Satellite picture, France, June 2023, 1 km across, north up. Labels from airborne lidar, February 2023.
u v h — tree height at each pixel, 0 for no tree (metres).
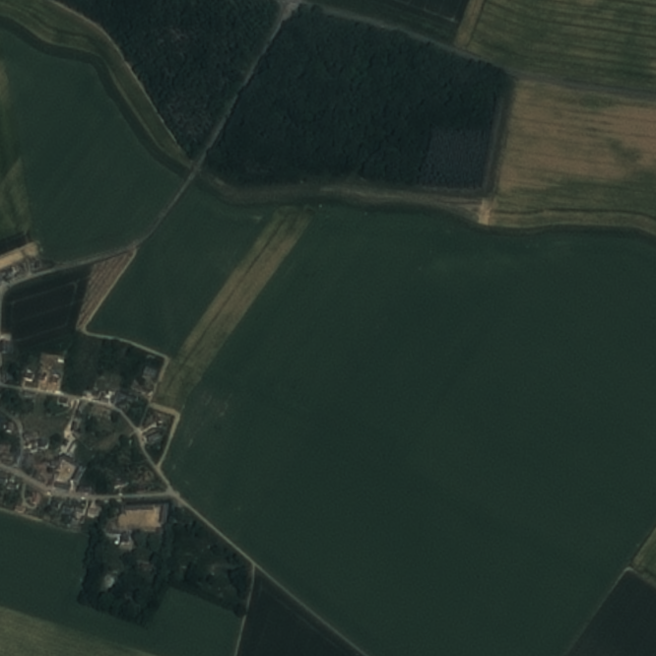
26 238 0
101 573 10
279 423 0
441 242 0
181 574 14
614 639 0
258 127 21
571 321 0
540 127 0
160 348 0
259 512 0
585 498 0
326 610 0
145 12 15
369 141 8
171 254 0
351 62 19
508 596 0
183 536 19
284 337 0
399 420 0
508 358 0
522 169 0
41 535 0
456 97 20
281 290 0
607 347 0
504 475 0
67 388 8
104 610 25
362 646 0
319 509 0
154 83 16
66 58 0
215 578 20
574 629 0
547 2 0
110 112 0
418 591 0
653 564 0
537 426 0
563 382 0
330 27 21
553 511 0
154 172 0
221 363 0
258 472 0
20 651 0
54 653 0
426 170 13
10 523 0
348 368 0
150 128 0
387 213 0
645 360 0
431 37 0
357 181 0
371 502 0
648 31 0
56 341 0
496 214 0
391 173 15
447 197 0
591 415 0
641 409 0
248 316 0
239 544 0
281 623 0
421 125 19
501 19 0
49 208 0
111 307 0
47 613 0
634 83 0
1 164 0
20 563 0
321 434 0
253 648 0
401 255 0
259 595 0
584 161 0
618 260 0
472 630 0
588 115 0
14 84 0
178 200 0
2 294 0
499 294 0
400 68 18
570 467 0
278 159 18
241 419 0
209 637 0
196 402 0
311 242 0
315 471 0
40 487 0
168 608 0
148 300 0
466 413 0
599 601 0
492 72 14
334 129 21
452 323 0
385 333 0
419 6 0
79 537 0
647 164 0
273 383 0
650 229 0
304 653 0
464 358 0
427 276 0
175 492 0
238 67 22
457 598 0
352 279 0
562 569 0
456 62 18
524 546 0
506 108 0
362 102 19
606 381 0
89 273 0
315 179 0
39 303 0
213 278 0
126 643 0
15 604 0
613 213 0
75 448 0
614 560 0
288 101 25
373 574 0
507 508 0
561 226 0
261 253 0
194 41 17
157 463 0
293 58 23
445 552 0
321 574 0
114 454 7
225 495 0
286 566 0
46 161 0
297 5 0
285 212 0
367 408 0
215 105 19
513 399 0
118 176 0
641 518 0
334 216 0
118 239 0
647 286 0
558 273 0
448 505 0
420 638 0
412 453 0
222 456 0
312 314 0
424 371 0
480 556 0
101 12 12
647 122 0
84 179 0
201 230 0
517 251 0
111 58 0
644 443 0
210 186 0
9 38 0
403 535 0
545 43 0
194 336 0
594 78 0
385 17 0
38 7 0
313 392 0
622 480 0
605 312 0
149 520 0
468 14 0
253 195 0
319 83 23
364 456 0
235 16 20
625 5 0
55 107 0
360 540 0
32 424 0
